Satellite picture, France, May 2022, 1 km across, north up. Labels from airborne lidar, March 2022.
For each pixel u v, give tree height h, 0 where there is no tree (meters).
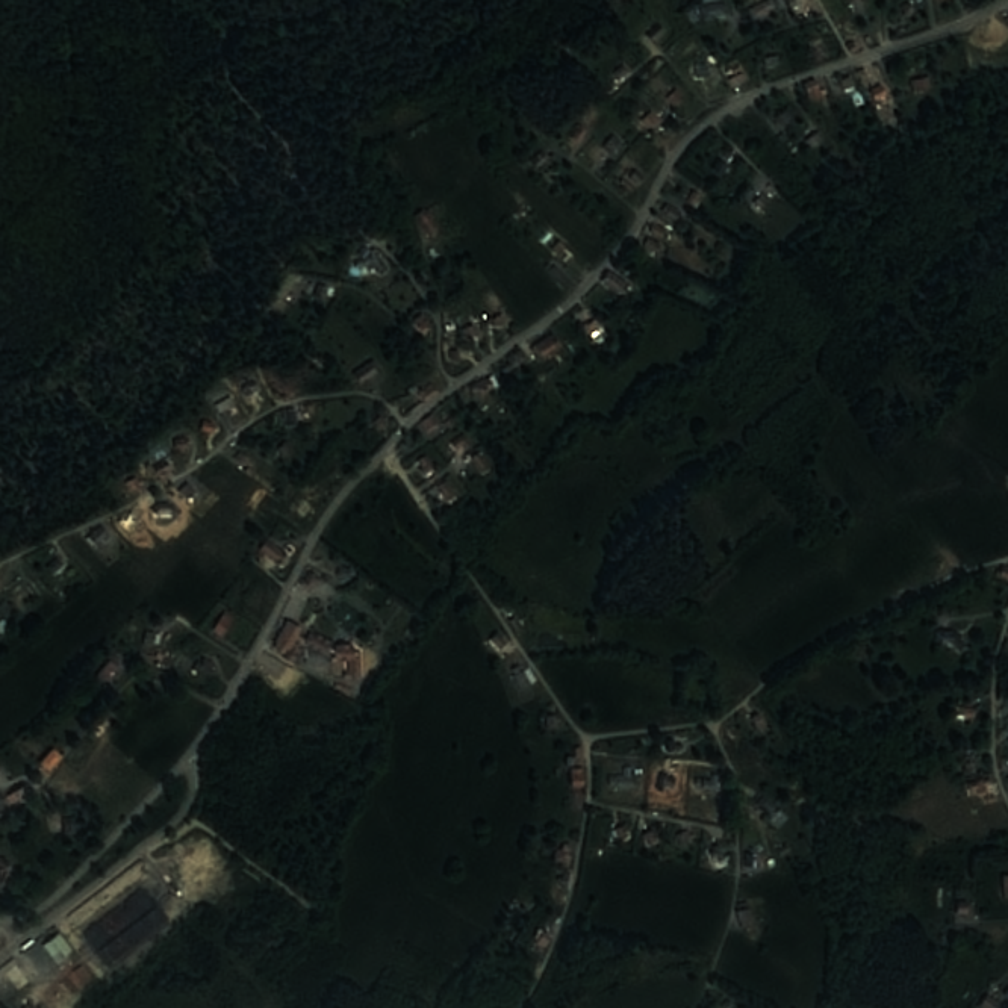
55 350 30
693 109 0
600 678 0
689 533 19
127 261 29
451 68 32
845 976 24
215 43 25
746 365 9
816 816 18
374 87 35
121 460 28
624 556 24
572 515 0
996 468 0
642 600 26
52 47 26
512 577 0
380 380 0
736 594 0
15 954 0
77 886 7
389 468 0
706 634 0
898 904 0
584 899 0
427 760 0
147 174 22
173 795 18
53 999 0
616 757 0
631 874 0
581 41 31
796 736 15
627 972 0
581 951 26
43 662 0
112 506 7
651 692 0
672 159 0
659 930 0
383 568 0
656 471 0
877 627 20
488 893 0
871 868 27
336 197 24
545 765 0
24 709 0
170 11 21
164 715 0
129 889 0
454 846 0
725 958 0
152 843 0
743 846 0
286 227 36
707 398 0
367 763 21
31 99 23
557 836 12
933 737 6
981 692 6
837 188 22
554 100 32
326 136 36
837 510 13
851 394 16
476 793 0
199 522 0
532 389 16
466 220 0
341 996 24
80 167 26
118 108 28
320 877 12
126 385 6
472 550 17
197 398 9
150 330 32
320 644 0
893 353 14
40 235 21
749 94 0
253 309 43
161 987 11
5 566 0
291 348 21
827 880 10
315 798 22
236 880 0
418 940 0
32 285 20
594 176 0
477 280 0
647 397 23
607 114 0
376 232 14
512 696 0
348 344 0
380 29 29
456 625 0
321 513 0
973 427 0
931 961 22
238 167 32
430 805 0
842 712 0
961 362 10
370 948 0
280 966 11
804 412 10
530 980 14
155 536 0
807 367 0
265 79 22
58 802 19
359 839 0
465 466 0
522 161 12
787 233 0
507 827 0
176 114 7
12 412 33
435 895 0
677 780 0
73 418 19
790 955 0
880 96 0
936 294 27
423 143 0
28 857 0
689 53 0
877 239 22
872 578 0
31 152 23
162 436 14
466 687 0
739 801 21
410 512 0
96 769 0
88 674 24
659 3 0
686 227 14
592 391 0
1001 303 27
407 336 11
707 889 0
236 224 35
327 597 0
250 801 11
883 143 24
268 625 0
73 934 0
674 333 0
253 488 0
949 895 0
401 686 0
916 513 0
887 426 24
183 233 16
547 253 0
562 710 0
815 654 18
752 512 0
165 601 0
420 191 0
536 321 0
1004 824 0
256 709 13
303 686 0
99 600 0
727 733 17
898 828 21
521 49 10
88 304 24
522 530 0
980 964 0
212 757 11
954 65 0
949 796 0
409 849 0
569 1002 6
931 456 0
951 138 20
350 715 0
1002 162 24
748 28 12
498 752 0
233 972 0
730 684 0
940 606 22
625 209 0
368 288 9
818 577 0
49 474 29
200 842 0
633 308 10
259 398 0
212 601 0
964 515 0
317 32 21
